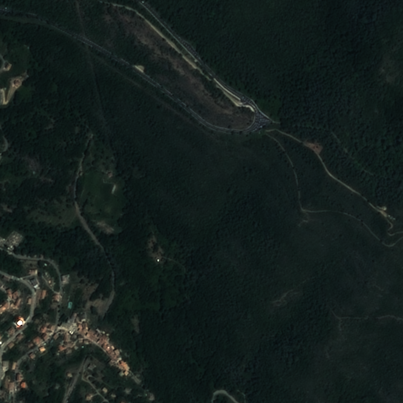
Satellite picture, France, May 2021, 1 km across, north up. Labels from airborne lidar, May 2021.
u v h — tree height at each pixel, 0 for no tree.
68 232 21
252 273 6
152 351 16
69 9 6
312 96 18
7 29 11
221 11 11
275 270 13
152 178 13
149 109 11
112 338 7
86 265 16
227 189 11
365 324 6
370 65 13
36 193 19
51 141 16
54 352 13
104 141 16
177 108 10
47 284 0
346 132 12
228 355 16
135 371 6
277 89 6
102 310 0
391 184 15
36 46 14
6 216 20
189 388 18
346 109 17
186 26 7
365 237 6
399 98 18
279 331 14
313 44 9
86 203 8
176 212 6
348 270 6
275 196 6
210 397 19
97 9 10
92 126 19
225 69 14
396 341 6
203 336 11
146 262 6
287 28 9
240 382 22
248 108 10
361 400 12
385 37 7
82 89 8
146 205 20
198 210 11
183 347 21
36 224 13
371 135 10
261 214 10
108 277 12
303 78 16
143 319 13
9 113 18
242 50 12
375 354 7
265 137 7
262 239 12
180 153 8
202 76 6
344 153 16
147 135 7
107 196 0
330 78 15
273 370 7
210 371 16
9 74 0
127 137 9
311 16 12
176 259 7
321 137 14
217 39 7
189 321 22
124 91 6
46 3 9
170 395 17
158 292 9
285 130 13
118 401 12
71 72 8
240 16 7
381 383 6
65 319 10
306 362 9
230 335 15
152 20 11
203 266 15
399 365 9
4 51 0
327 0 23
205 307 18
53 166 19
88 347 6
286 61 9
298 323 13
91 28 9
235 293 11
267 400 11
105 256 15
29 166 8
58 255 9
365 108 9
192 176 8
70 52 15
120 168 14
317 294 7
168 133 6
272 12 8
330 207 6
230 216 15
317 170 6
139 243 12
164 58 7
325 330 10
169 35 8
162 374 11
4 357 9
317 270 11
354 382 6
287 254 6
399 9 13
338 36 25
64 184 11
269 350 11
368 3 18
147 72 9
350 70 14
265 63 8
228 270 10
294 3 16
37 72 15
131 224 11
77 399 13
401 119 26
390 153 15
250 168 8
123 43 8
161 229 15
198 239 15
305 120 15
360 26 19
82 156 15
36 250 7
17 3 14
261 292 9
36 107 14
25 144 18
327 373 9
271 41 10
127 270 12
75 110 18
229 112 0
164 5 7
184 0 9
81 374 7
